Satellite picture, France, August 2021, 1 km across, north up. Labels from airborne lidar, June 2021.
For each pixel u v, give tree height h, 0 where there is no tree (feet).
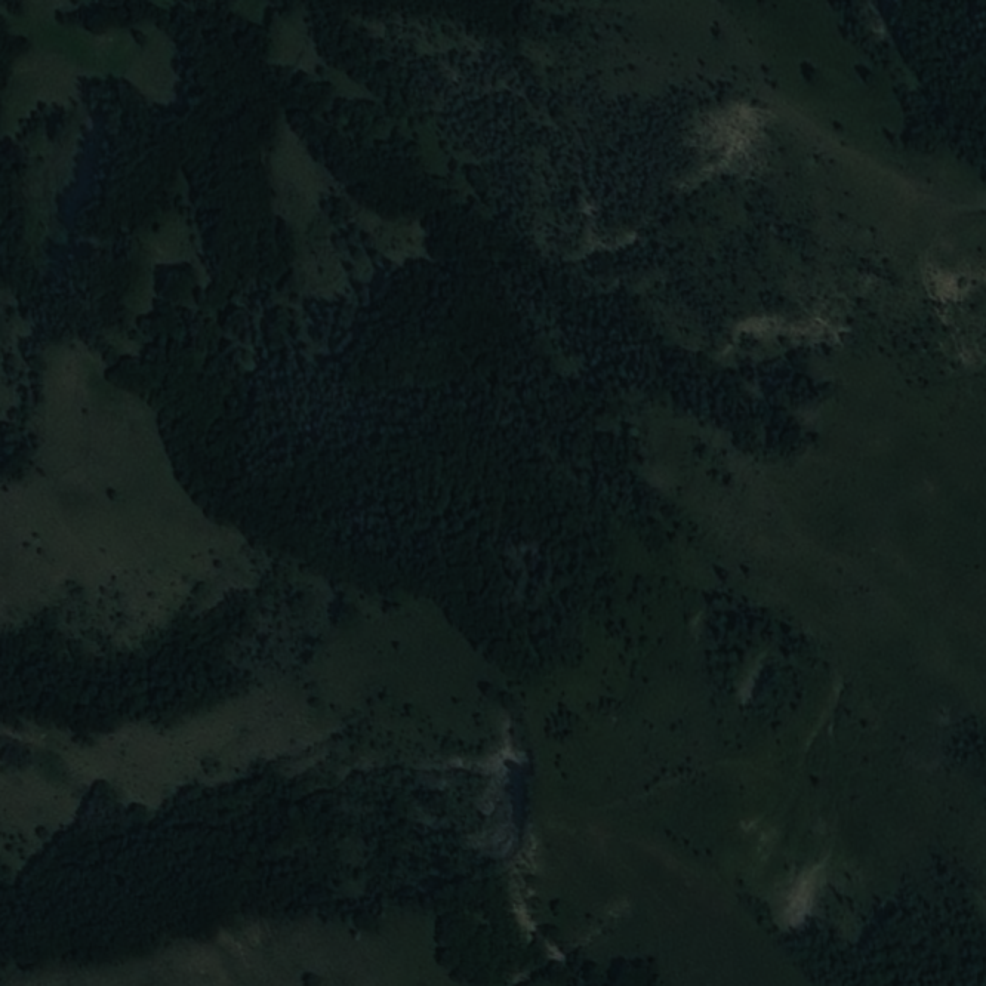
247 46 55
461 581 86
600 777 0
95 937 93
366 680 0
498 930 47
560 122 26
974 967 37
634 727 0
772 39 0
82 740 25
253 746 0
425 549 73
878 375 0
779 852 0
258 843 57
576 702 0
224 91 56
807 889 0
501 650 72
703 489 0
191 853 100
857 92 0
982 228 0
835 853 0
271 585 38
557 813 0
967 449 0
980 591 0
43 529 0
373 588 36
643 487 61
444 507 72
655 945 0
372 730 24
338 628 31
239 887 101
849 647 0
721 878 0
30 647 68
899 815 0
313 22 23
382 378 95
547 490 70
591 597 39
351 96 0
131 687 91
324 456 79
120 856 95
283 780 22
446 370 87
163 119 76
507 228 56
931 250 0
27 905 80
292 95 64
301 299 24
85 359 0
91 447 0
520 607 70
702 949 0
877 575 0
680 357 46
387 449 86
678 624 0
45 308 83
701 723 0
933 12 55
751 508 0
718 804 0
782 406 37
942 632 0
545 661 37
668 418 0
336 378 59
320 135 90
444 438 79
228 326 61
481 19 50
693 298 20
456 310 110
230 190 104
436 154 0
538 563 55
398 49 23
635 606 47
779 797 0
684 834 0
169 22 48
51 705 85
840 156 0
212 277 33
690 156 24
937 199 0
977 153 34
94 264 96
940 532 0
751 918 0
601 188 35
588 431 73
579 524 51
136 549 0
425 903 52
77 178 0
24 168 66
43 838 45
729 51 0
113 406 0
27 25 0
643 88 0
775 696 31
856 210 0
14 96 0
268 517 83
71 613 24
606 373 61
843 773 0
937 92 51
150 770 0
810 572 0
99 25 89
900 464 0
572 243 25
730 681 20
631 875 0
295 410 76
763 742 0
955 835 0
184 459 64
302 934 0
